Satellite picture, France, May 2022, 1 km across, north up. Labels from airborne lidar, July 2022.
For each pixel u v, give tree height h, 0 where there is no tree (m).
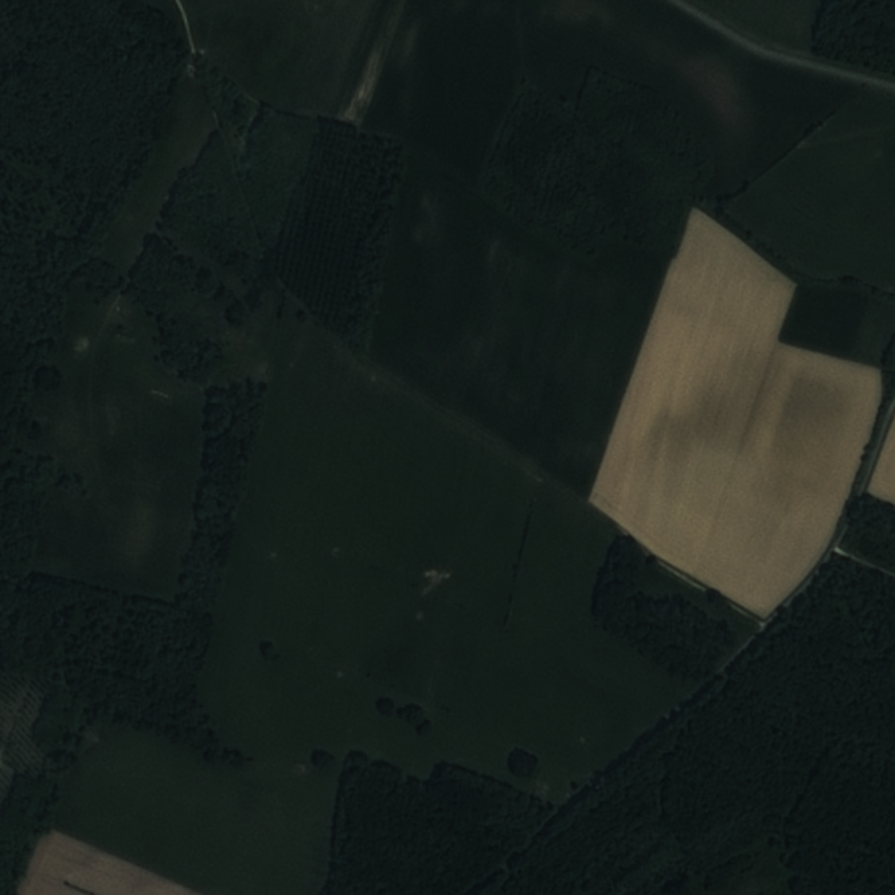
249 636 0
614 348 0
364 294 16
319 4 0
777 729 16
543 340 0
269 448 0
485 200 0
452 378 0
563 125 9
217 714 0
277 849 0
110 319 0
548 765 0
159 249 19
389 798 18
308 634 0
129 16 18
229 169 11
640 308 0
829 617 21
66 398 0
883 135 0
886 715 20
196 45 0
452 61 0
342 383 0
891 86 0
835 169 0
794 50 0
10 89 21
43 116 26
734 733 18
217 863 0
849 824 18
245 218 12
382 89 0
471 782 19
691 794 19
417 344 0
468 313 0
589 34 0
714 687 17
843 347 0
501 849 17
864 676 21
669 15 0
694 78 0
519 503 0
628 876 26
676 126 6
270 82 0
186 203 15
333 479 0
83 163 24
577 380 0
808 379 0
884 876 18
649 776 21
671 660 21
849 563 19
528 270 0
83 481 19
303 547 0
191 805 0
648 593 0
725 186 0
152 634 17
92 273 17
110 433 0
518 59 0
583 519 0
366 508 0
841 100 0
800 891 21
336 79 0
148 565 0
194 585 19
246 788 0
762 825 21
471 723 0
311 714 0
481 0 0
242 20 0
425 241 0
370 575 0
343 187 9
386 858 18
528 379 0
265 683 0
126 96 23
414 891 16
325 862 0
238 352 0
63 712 14
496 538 0
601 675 0
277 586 0
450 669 0
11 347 33
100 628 7
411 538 0
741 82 0
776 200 0
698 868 25
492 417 0
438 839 17
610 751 0
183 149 0
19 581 18
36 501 14
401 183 14
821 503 0
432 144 0
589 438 0
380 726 0
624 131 10
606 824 21
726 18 0
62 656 20
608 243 0
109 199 21
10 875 6
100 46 23
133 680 21
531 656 0
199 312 0
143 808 0
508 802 20
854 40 20
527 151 9
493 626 0
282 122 13
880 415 6
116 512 0
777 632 10
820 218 0
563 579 0
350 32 0
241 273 20
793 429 0
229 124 17
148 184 0
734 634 30
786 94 0
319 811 0
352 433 0
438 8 0
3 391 29
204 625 19
